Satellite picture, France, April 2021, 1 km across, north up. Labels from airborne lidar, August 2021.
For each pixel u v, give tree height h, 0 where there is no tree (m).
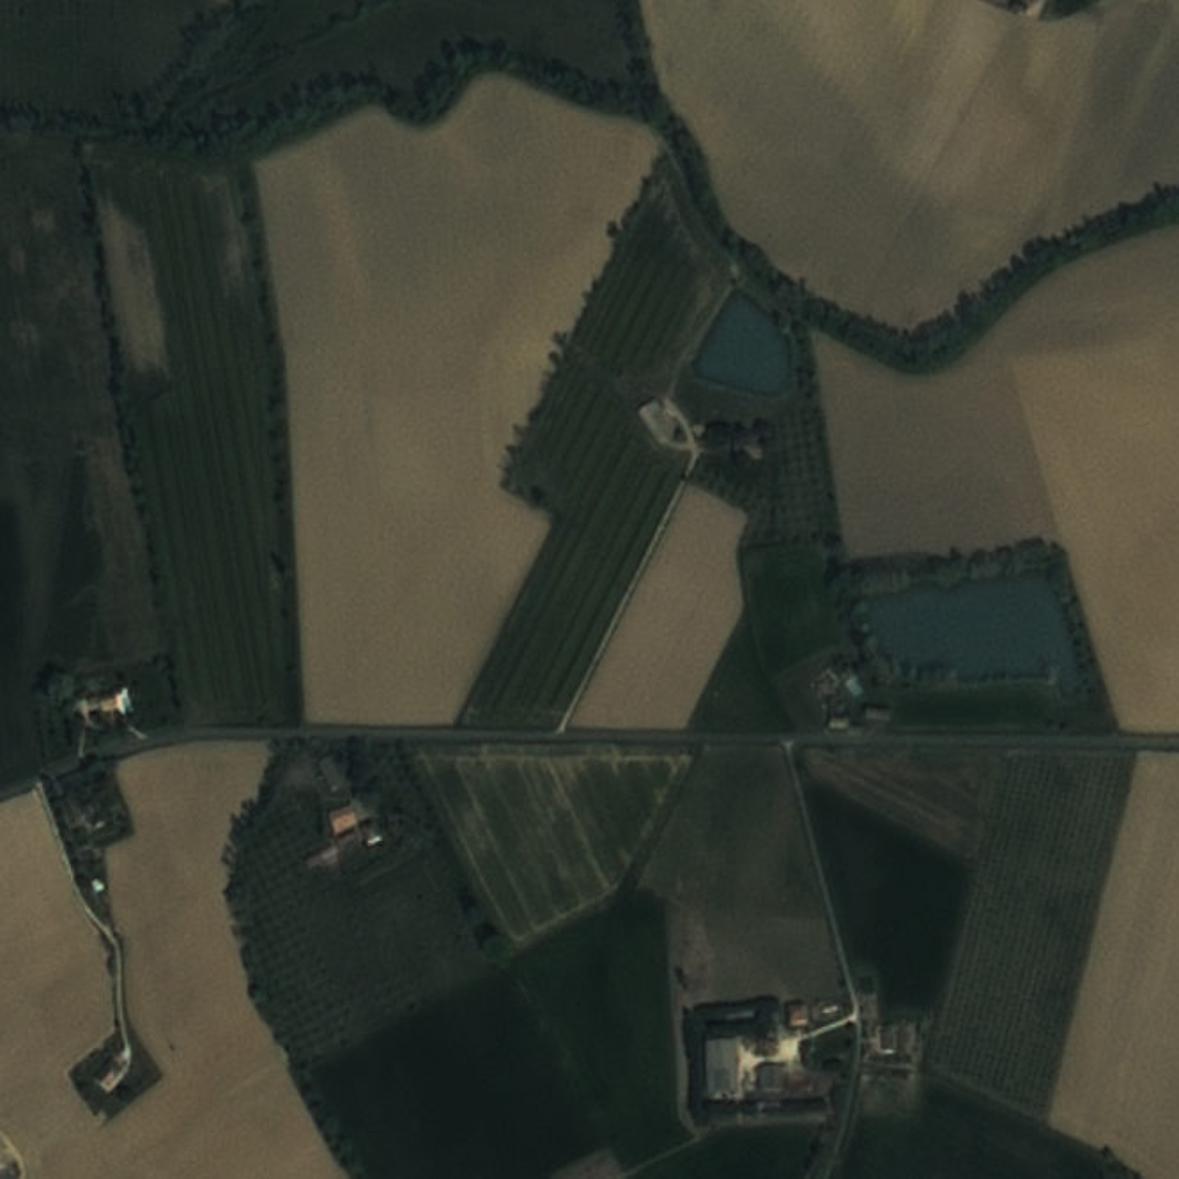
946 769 0
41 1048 0
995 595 0
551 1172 0
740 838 0
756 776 0
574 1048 0
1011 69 0
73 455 0
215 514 0
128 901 0
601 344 0
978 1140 0
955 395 0
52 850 0
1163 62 0
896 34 0
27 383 0
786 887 0
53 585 0
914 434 0
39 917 0
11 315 0
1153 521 0
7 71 10
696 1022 8
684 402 0
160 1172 0
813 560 0
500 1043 0
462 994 0
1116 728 0
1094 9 0
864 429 0
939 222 0
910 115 0
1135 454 0
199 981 0
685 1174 0
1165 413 0
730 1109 10
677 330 0
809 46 0
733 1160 0
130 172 0
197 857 0
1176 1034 0
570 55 0
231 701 0
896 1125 0
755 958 0
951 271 0
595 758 0
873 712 0
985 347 0
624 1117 0
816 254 0
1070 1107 0
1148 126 0
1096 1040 0
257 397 0
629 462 0
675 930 0
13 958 0
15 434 0
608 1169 0
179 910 0
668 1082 0
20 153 0
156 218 0
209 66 7
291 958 9
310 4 0
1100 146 0
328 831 12
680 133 13
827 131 0
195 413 0
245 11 21
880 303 0
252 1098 0
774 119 0
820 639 0
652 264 0
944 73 0
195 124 0
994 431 0
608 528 0
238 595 0
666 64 0
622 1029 0
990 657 0
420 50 0
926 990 0
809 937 0
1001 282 14
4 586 0
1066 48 0
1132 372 0
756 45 0
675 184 0
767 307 0
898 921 0
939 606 0
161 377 0
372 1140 0
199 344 0
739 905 0
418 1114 0
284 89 0
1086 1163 0
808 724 0
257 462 0
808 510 8
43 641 0
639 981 0
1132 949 0
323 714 0
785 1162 0
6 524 0
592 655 0
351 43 0
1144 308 0
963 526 0
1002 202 0
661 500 0
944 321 0
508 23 0
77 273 0
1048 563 10
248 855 14
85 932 0
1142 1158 0
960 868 0
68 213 0
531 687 0
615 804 0
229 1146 0
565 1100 0
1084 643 10
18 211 0
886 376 0
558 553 0
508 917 0
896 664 16
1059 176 0
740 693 0
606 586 0
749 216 0
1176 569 0
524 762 0
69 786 14
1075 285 0
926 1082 0
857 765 0
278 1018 13
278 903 10
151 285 0
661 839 0
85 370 0
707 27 0
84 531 0
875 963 0
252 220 13
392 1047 0
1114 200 0
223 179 0
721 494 8
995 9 0
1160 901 0
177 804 0
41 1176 0
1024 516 0
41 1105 0
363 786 12
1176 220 21
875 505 0
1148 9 0
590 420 0
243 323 0
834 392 0
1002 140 0
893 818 0
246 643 0
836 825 0
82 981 0
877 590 27
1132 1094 0
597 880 0
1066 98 0
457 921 8
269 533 0
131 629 0
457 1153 0
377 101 11
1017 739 0
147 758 0
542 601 0
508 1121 0
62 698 24
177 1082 0
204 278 0
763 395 0
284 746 11
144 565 0
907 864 0
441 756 0
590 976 0
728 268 0
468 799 0
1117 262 0
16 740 0
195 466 0
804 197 0
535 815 0
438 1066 0
